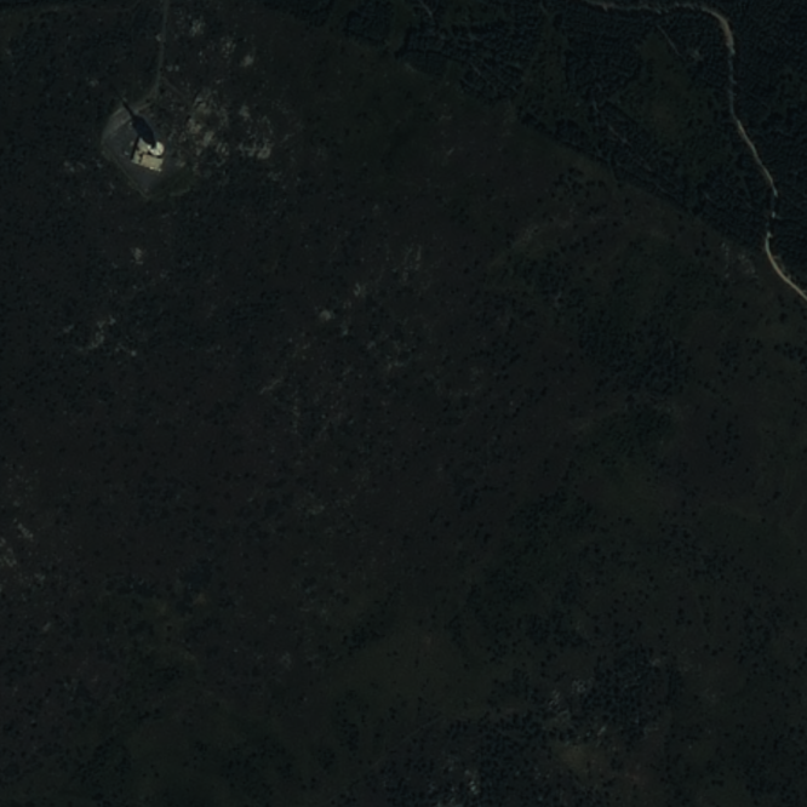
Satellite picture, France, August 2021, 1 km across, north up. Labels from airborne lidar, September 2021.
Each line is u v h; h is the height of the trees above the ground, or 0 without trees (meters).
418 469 0
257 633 0
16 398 0
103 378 0
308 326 0
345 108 0
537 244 0
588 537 0
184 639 0
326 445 0
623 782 0
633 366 7
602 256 0
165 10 0
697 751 0
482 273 0
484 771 6
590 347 7
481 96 14
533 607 0
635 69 13
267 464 0
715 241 0
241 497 0
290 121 0
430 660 0
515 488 0
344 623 0
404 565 0
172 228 0
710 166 7
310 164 0
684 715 0
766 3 15
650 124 5
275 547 0
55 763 0
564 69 6
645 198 0
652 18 16
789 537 0
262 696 0
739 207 15
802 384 0
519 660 0
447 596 0
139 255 0
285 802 0
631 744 8
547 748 6
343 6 0
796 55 22
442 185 0
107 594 0
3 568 0
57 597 0
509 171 0
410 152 0
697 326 0
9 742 0
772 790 8
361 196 0
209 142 0
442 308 0
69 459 0
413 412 0
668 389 5
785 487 0
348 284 0
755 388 0
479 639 0
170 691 0
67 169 0
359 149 0
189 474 0
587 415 0
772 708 0
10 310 6
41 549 0
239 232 0
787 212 16
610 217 0
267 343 0
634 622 0
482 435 0
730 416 0
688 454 0
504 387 0
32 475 0
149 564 0
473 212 0
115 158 0
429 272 0
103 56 0
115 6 0
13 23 0
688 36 16
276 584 0
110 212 0
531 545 8
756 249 14
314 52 0
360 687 0
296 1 12
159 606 0
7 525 0
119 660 0
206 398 0
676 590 0
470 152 0
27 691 0
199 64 0
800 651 0
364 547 0
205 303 0
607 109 18
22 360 0
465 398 0
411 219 0
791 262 16
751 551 0
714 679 0
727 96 20
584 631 0
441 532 0
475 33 16
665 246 0
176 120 0
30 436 0
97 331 0
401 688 0
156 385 0
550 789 7
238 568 0
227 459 0
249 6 0
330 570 0
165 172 0
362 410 0
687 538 8
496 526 0
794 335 0
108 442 0
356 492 0
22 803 0
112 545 0
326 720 0
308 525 0
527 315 6
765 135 18
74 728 0
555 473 0
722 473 0
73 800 0
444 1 17
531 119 16
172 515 0
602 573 7
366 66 0
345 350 0
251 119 0
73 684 0
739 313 0
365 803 0
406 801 7
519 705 0
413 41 16
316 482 0
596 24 17
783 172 18
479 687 0
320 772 0
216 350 0
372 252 0
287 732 0
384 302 0
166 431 0
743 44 19
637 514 0
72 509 0
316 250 0
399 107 0
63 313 0
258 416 0
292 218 0
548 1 21
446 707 0
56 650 0
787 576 0
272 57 0
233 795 0
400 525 0
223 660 0
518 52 19
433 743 0
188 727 0
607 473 0
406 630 0
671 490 0
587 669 0
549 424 0
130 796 0
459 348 0
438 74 16
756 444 0
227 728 0
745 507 0
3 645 0
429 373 0
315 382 0
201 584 0
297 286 0
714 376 0
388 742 0
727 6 19
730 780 0
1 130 0
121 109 0
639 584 0
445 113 0
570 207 0
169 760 0
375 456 0
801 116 17
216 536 0
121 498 0
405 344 0
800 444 0
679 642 0
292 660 0
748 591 0
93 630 0
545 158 0
